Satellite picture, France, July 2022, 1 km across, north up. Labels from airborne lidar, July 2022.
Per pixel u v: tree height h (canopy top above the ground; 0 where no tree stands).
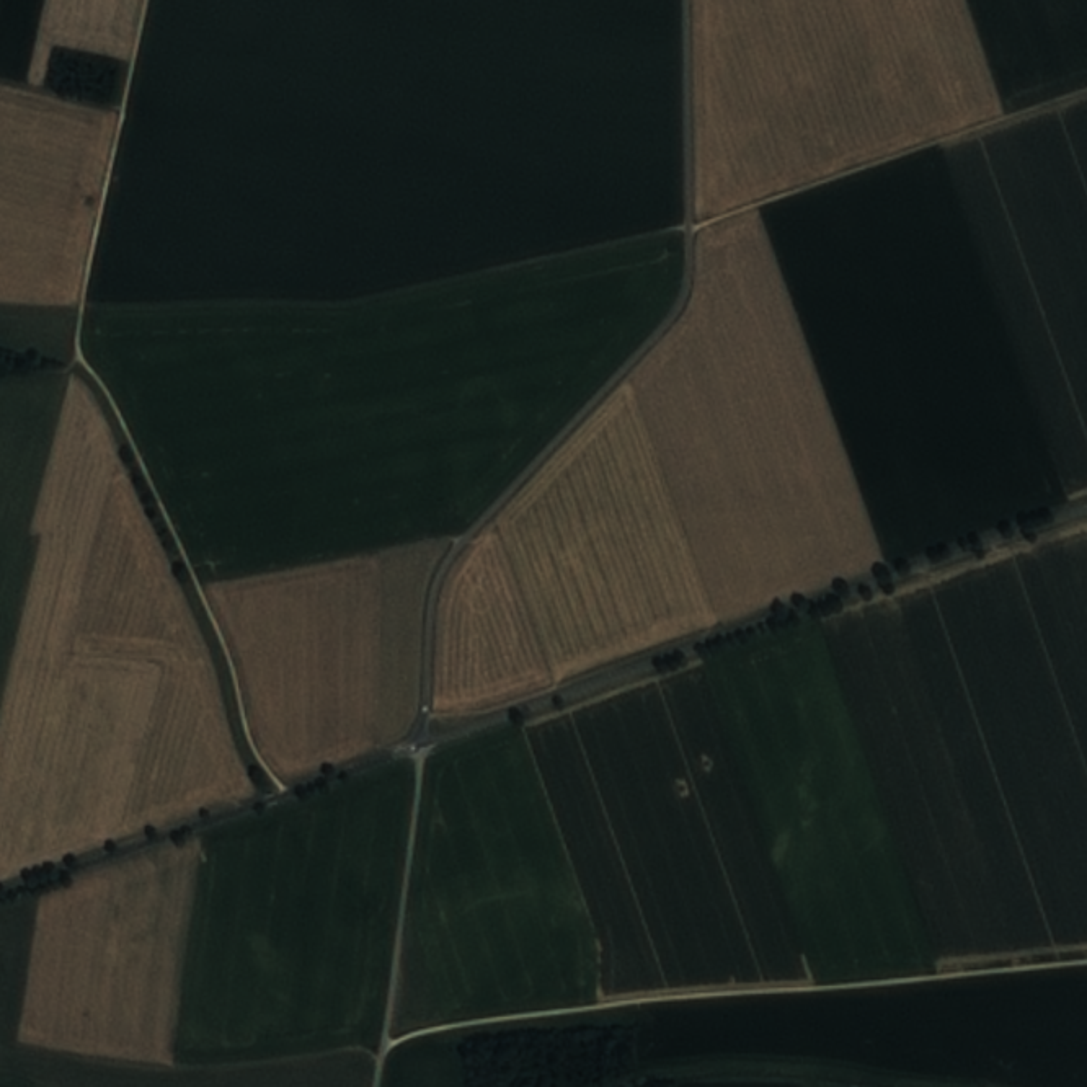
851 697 0
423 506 0
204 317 0
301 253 0
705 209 0
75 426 0
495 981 0
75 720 0
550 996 0
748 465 0
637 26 0
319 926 0
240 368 0
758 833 0
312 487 0
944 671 0
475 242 0
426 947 0
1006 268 0
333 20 0
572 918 0
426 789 0
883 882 0
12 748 0
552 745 0
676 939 0
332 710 0
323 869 0
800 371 0
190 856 0
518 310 0
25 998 0
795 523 0
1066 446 0
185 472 0
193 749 0
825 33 0
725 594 0
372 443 0
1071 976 0
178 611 0
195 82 0
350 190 0
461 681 0
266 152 0
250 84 0
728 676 0
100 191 0
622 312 0
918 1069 0
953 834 0
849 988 0
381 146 0
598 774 0
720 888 0
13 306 0
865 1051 0
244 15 0
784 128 0
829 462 0
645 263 0
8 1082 0
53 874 13
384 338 0
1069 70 0
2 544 0
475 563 0
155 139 0
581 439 0
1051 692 0
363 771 0
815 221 0
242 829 0
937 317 0
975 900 0
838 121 0
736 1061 0
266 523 0
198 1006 0
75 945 0
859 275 0
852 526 0
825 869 0
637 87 0
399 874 0
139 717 0
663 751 0
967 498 0
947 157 0
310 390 0
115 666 0
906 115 0
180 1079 0
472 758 0
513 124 0
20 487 0
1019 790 0
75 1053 0
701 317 0
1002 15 0
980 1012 0
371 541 0
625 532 0
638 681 0
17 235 0
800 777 0
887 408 0
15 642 0
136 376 0
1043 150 0
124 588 0
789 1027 0
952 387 0
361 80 0
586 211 0
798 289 0
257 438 0
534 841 0
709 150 0
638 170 0
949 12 0
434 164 0
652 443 0
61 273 0
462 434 0
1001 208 0
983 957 0
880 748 0
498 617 0
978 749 0
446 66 0
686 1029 0
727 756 0
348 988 0
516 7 0
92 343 0
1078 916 0
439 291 0
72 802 0
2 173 0
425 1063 0
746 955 0
